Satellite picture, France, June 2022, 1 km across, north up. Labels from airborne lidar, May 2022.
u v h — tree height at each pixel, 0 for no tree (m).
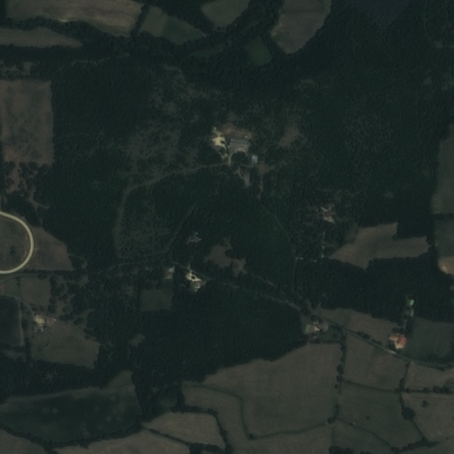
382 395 0
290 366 0
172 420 0
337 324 6
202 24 8
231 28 13
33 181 8
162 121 7
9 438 0
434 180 8
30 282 0
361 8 16
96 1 0
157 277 12
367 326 0
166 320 18
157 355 14
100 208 9
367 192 7
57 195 13
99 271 10
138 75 9
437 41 7
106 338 8
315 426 0
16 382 10
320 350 0
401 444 0
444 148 0
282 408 0
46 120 0
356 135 10
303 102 6
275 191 7
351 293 21
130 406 0
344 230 9
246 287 11
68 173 12
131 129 10
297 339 10
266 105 10
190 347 11
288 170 7
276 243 8
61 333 0
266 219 10
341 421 0
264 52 0
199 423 0
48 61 10
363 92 10
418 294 14
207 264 7
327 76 6
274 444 0
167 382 12
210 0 12
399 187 6
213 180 11
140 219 9
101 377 14
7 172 9
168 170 7
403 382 12
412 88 10
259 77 20
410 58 12
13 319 0
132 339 9
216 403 0
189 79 14
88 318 11
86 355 0
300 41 0
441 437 0
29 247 0
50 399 0
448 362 9
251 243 11
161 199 12
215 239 12
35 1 0
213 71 18
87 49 11
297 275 11
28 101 0
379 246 0
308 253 12
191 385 0
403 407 7
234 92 9
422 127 10
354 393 0
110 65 9
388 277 14
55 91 9
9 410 0
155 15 0
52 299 8
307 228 9
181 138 8
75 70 12
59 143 10
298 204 10
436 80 7
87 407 0
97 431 0
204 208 11
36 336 0
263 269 12
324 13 0
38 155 0
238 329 13
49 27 13
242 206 13
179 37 0
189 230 15
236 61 22
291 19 0
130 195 8
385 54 6
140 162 6
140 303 9
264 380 0
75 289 15
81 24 9
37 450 0
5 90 0
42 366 13
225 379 0
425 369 0
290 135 0
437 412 0
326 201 9
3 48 12
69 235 11
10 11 0
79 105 11
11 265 0
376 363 0
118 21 0
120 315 13
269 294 10
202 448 16
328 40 20
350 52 9
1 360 9
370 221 16
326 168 9
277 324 14
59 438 0
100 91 14
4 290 0
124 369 14
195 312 19
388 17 20
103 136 6
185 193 8
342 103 10
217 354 10
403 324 11
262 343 11
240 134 0
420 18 15
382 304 15
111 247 12
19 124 0
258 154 9
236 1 0
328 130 10
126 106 11
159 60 14
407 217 13
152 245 8
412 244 0
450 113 7
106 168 10
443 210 0
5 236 0
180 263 10
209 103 6
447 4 6
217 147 0
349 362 0
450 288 9
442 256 0
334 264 15
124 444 0
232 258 13
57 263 0
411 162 9
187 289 13
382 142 9
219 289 12
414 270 11
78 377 12
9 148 0
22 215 8
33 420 0
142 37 11
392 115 9
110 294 7
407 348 0
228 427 0
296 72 7
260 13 8
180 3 10
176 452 0
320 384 0
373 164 7
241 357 16
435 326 0
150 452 0
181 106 6
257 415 0
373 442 0
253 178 8
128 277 10
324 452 0
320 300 15
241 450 0
